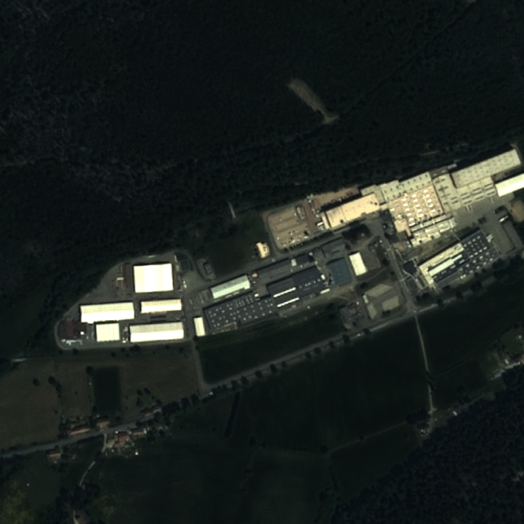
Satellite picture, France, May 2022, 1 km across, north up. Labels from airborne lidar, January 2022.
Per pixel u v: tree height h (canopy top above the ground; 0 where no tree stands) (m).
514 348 0
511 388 21
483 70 18
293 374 0
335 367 0
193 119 12
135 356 0
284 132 11
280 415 0
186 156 9
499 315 0
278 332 0
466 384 0
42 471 0
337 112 12
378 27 11
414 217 0
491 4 13
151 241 23
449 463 22
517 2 17
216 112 12
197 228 14
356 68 10
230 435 8
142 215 16
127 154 9
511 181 0
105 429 0
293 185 15
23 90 18
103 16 25
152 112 10
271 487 0
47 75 15
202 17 13
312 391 0
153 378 0
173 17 14
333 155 12
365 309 0
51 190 16
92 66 17
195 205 29
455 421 14
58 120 15
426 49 17
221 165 23
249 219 0
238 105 10
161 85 14
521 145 0
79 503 14
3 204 14
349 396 0
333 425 0
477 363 0
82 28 14
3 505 0
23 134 31
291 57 12
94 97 27
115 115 15
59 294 19
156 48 13
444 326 0
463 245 0
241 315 0
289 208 0
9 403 0
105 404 0
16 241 19
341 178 16
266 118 9
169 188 20
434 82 17
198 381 0
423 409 0
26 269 18
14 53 17
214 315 0
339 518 26
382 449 0
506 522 24
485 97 11
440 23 18
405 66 14
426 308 0
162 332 0
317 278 0
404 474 22
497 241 0
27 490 0
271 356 0
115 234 11
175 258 0
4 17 11
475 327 0
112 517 0
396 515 22
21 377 0
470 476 13
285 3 12
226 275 0
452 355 0
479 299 0
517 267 24
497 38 15
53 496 0
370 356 0
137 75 9
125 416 0
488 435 24
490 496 22
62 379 0
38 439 0
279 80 13
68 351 0
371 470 0
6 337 0
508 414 19
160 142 11
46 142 15
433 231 0
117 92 11
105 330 0
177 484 0
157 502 0
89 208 11
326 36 11
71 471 0
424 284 0
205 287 0
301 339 0
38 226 12
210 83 14
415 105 10
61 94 25
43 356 0
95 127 9
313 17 12
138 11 22
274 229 0
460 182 0
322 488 0
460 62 20
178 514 0
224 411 0
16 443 0
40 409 0
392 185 0
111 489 0
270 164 16
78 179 29
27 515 0
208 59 14
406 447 0
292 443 0
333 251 0
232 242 0
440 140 19
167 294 0
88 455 0
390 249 0
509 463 27
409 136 12
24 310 0
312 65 13
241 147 11
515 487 23
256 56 11
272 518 0
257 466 0
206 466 0
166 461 0
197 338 10
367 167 24
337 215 0
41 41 10
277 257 0
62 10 8
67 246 20
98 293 0
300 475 0
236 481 0
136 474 0
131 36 15
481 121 11
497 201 0
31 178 14
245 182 25
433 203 0
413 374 0
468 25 19
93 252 19
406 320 0
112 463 0
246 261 0
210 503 0
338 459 0
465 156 16
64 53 6
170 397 0
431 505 20
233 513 0
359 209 0
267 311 0
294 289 0
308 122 11
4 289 17
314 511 0
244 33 13
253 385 0
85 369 0
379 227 0
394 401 0
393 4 16
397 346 0
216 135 12
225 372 0
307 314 0
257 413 0
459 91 19
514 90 10
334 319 14
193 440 0
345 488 0
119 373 0
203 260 0
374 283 0
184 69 16
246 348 0
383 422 0
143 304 0
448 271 0
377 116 13
